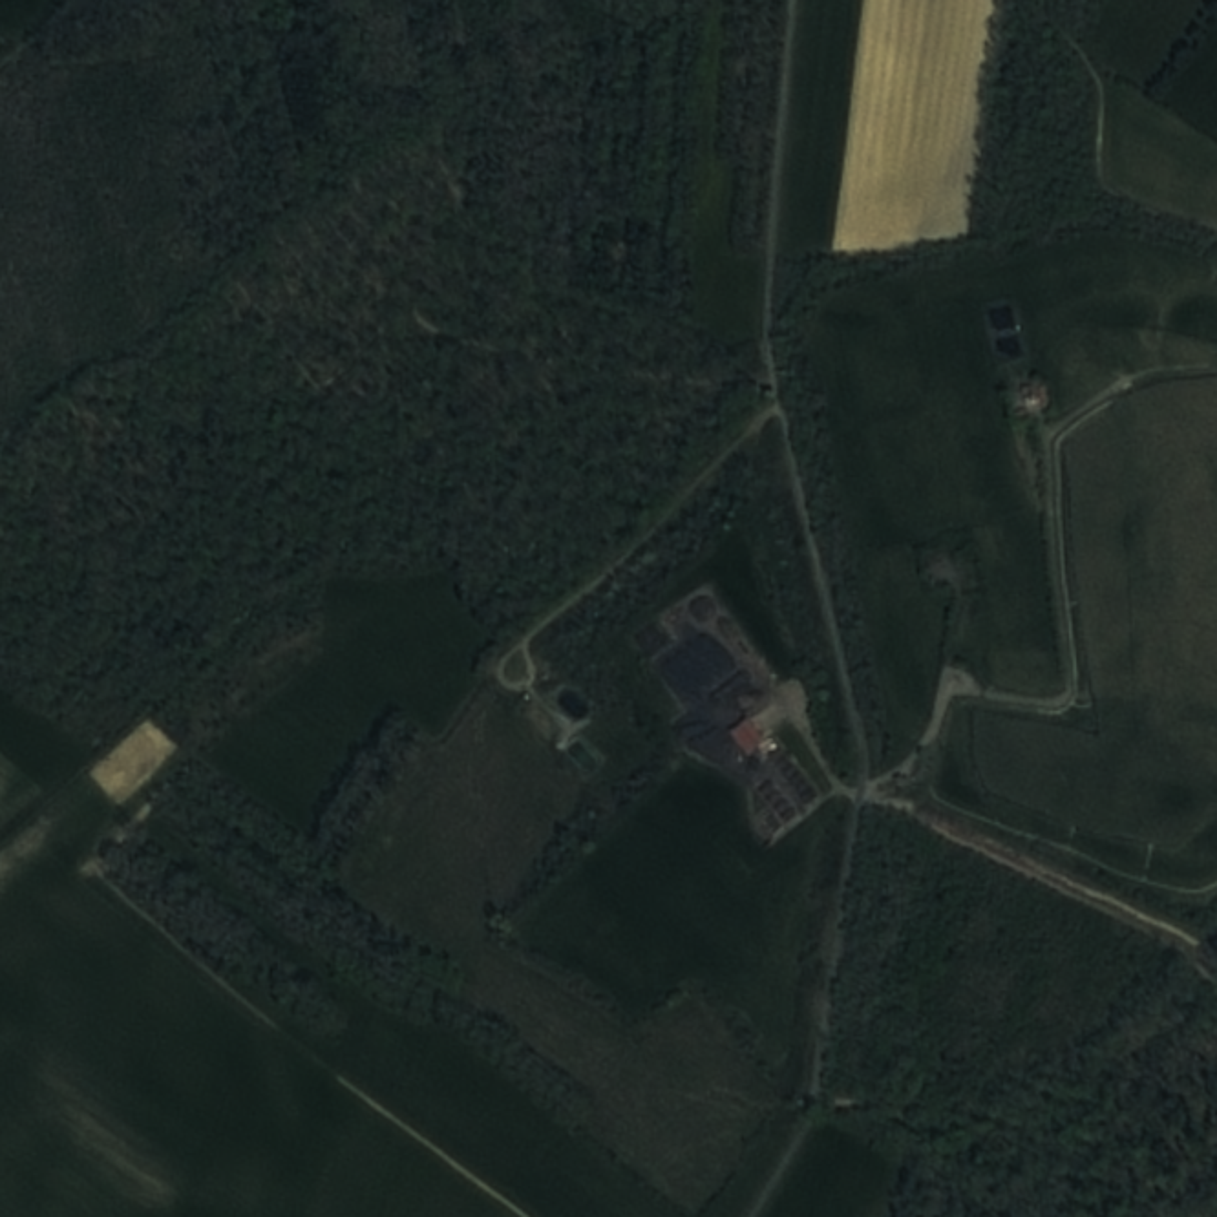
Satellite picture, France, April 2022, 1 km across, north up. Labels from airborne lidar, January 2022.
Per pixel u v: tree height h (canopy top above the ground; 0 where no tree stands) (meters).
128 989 0
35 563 28
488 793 0
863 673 9
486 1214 0
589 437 27
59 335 0
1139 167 0
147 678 23
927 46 0
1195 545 0
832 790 0
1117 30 0
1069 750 0
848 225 0
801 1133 0
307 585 7
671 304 27
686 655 0
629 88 19
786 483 0
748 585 0
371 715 0
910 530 0
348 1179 0
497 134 18
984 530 0
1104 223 10
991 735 0
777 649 0
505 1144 0
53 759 0
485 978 0
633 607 8
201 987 0
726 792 0
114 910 0
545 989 0
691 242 20
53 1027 0
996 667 0
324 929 19
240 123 23
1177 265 0
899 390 0
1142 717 0
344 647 0
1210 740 0
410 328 28
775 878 0
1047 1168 22
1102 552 0
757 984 0
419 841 0
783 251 0
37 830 0
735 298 0
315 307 25
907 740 0
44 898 0
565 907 0
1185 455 0
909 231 0
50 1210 0
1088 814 0
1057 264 0
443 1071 0
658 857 0
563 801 0
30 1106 0
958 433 0
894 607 0
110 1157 0
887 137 0
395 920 0
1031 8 17
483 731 0
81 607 26
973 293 0
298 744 0
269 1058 0
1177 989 25
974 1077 8
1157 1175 26
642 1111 0
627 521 23
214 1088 0
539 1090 24
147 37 23
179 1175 0
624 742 0
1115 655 0
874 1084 12
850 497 0
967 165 0
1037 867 0
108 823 0
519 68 20
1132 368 0
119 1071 0
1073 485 0
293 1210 0
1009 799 0
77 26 20
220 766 0
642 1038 0
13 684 18
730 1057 0
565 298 26
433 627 0
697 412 30
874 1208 0
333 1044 6
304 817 0
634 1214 0
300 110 21
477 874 0
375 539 22
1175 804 0
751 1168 0
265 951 25
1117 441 0
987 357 0
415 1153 0
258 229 23
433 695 0
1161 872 0
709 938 0
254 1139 0
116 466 25
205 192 22
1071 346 0
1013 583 0
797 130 0
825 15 0
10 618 22
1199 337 0
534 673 0
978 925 7
